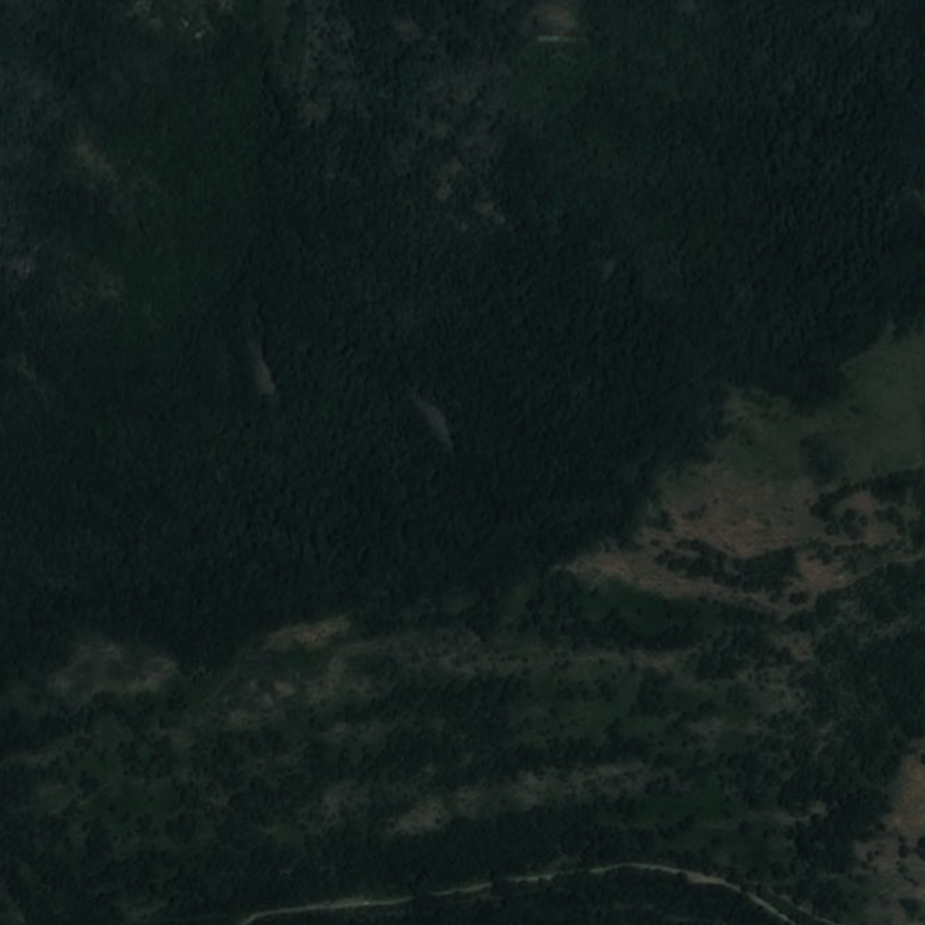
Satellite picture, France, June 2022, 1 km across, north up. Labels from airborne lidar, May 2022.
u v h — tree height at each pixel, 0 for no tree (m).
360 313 16
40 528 12
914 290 8
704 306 7
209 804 8
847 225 10
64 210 10
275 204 12
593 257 8
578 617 15
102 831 13
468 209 6
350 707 6
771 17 9
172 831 10
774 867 11
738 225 15
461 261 10
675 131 15
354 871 14
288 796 11
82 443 11
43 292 7
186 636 15
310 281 17
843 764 15
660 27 9
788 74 8
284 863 11
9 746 14
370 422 16
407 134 7
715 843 10
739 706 8
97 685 0
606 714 0
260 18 8
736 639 10
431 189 6
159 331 8
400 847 11
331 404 10
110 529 13
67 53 9
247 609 15
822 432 0
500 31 7
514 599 0
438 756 10
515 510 9
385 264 13
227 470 18
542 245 11
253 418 17
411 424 15
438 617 8
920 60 15
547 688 0
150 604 9
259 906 20
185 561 15
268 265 17
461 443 15
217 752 11
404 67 8
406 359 22
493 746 7
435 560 6
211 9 10
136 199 7
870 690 10
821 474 8
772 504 0
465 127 7
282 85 9
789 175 18
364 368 20
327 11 8
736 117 10
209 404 14
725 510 0
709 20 8
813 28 7
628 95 12
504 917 21
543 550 13
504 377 13
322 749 10
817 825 17
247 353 13
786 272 9
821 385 9
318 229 17
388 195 7
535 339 14
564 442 9
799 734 11
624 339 11
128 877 17
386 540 14
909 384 0
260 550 17
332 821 7
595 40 9
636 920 9
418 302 11
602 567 0
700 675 7
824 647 13
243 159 10
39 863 11
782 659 11
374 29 8
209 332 13
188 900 16
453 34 11
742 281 9
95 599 13
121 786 0
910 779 0
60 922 11
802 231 12
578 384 9
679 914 12
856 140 9
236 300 17
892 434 0
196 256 11
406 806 7
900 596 10
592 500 8
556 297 14
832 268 13
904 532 7
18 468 11
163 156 10
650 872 10
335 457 16
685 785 7
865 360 0
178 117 11
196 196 9
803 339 15
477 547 8
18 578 10
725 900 6
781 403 0
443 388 13
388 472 16
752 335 13
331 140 7
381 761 8
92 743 10
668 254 7
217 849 9
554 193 9
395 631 11
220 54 10
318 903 13
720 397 6
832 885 10
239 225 15
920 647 12
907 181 12
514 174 12
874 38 8
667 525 7
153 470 19
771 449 0
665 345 8
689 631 11
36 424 9
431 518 9
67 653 7
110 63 8
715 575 9
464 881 7
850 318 11
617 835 11
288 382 14
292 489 19
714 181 12
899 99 11
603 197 9
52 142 7
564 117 11
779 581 9
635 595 0
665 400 6
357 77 6
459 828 14
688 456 6
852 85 9
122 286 7
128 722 11
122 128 9
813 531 0
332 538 17
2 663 11
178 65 11
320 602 7
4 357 6
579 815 16
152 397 13
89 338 12
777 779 14
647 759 8
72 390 13
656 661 0
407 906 8
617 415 14
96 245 11
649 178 12
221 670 10
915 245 12
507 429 14
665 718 7
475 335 13
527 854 15
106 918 15
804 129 15
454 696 9
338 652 0
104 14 11
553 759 6
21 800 6
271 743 5
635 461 9
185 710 8
